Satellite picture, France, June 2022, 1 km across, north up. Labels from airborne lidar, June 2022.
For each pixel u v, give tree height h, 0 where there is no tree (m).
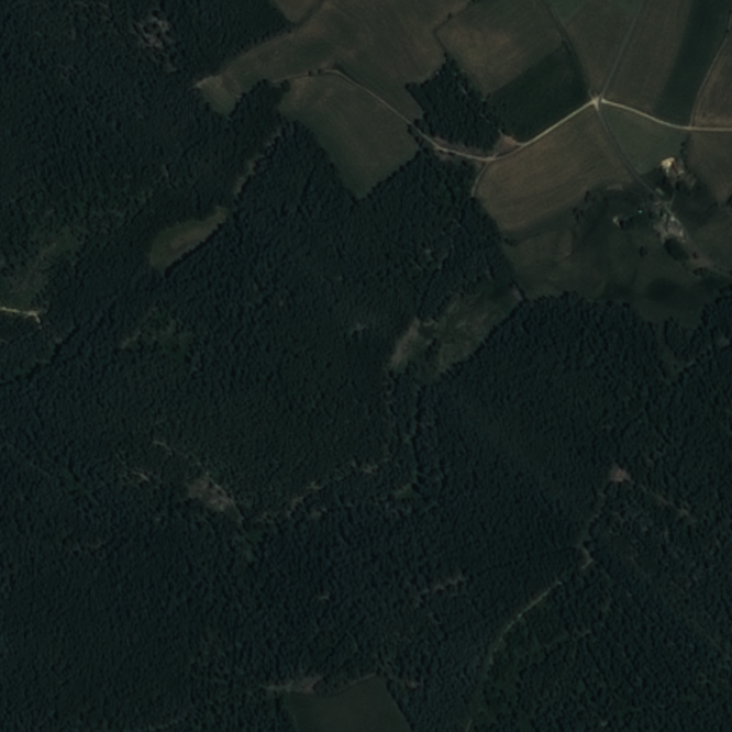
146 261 29
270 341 23
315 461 20
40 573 17
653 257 0
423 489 36
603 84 0
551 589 20
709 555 17
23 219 7
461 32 0
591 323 27
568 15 0
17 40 25
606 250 0
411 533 26
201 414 19
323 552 22
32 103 21
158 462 16
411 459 27
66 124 23
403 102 0
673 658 17
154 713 20
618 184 0
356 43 0
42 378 25
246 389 12
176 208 24
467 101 20
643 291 0
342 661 20
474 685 23
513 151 0
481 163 0
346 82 0
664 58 0
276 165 23
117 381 24
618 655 20
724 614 21
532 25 0
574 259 0
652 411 22
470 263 24
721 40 0
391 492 27
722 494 24
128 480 18
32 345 25
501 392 19
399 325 18
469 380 21
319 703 0
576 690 8
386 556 11
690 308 0
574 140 0
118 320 25
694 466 23
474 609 23
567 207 0
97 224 12
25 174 20
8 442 24
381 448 19
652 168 0
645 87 0
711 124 0
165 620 20
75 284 20
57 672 19
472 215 24
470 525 22
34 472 26
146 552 16
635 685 16
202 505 15
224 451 20
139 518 24
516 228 0
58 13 19
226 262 26
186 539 15
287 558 23
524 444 20
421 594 16
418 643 13
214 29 15
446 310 25
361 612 27
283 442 18
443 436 23
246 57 0
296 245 29
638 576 21
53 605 20
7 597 23
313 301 23
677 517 21
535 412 20
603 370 22
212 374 22
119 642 24
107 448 17
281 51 0
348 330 17
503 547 21
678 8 0
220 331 16
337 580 23
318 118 0
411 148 0
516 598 18
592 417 22
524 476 23
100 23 18
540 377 20
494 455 21
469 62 0
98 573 24
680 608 22
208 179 16
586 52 0
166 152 23
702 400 18
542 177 0
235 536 31
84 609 21
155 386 23
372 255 22
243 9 16
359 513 20
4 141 23
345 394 20
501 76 0
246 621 24
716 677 12
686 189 14
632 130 0
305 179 20
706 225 0
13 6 20
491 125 18
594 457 20
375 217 23
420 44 0
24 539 22
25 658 17
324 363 21
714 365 19
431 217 23
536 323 16
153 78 22
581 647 13
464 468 23
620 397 21
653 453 25
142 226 21
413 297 22
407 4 0
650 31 0
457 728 20
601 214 0
